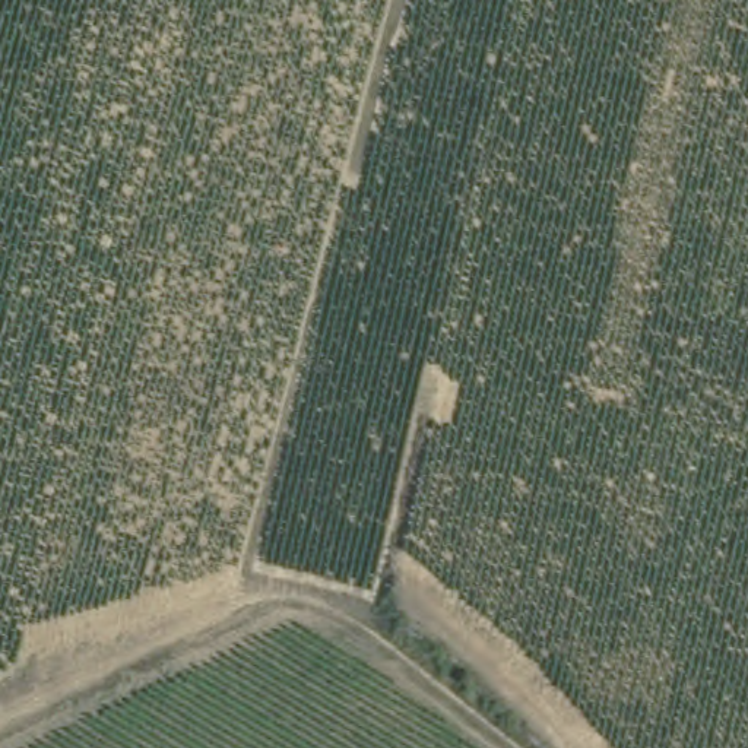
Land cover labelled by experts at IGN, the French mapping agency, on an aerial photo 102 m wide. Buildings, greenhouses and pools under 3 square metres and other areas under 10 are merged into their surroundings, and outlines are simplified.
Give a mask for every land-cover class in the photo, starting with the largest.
<instances>
[{"label":"vineyard","instance_id":"1","mask_svg":"<svg viewBox=\"0 0 748 748\"><path fill-rule=\"evenodd\" d=\"M0 748H748V0H0Z\"/></svg>","mask_w":748,"mask_h":748}]
</instances>
